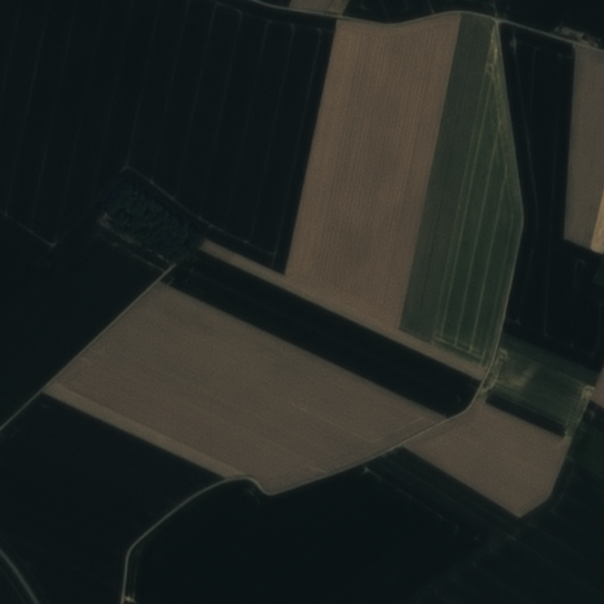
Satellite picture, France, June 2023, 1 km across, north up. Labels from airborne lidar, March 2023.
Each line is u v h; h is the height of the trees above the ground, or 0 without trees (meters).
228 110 0
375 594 0
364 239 0
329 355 0
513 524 0
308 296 0
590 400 0
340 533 0
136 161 0
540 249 0
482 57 0
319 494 0
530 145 0
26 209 0
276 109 0
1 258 0
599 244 0
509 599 0
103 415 0
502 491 0
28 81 0
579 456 0
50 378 0
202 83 0
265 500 0
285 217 0
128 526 0
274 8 0
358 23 0
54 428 0
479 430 0
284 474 0
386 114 0
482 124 0
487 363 0
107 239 0
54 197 0
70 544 0
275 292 0
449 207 0
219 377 0
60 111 0
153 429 0
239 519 0
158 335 0
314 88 0
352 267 0
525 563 0
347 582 0
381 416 0
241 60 0
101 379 0
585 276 0
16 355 0
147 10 0
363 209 0
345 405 0
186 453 0
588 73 0
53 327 0
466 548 0
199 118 0
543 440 0
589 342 0
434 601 0
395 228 0
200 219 0
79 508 0
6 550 0
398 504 0
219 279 0
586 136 0
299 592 0
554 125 0
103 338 0
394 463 0
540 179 0
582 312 0
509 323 0
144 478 0
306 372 0
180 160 0
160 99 0
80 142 0
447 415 0
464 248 0
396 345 0
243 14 0
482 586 0
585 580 0
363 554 0
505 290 0
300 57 0
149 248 21
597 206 0
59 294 0
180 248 28
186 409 0
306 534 0
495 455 0
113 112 0
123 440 0
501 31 0
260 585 0
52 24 0
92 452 0
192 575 0
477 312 0
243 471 0
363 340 0
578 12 0
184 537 0
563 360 0
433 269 0
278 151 0
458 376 0
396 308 0
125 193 21
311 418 0
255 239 0
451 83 0
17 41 0
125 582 0
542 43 0
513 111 0
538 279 0
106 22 0
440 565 0
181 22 0
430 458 0
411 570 0
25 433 0
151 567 0
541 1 0
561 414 0
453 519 0
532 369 0
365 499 0
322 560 0
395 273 0
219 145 0
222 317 0
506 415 0
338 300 0
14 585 0
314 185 0
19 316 0
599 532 0
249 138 0
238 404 0
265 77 0
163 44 0
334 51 0
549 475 0
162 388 0
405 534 0
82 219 0
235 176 0
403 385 0
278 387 0
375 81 0
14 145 0
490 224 0
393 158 0
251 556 0
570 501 0
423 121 0
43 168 0
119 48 0
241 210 0
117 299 0
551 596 0
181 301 0
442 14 0
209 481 0
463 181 0
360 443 0
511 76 0
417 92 0
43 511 0
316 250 0
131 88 0
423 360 0
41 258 0
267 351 0
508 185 0
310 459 0
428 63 0
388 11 0
